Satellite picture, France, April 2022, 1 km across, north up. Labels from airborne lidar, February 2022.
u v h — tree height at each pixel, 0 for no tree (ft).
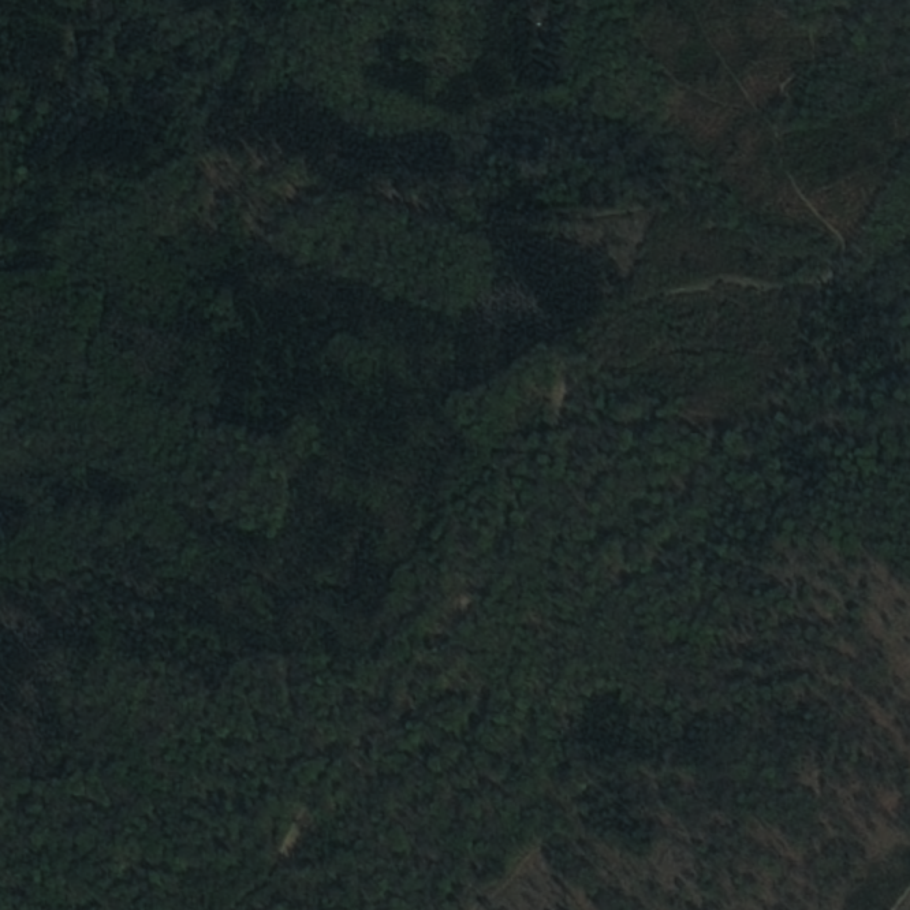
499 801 115
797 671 65
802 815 77
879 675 74
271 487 99
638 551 107
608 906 97
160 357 57
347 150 93
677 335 31
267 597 72
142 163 47
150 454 52
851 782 71
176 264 64
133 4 81
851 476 75
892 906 0
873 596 70
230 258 51
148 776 87
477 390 77
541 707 69
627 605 87
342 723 85
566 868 92
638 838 82
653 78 83
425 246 76
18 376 33
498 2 69
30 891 94
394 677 91
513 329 75
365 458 59
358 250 92
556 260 61
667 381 30
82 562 72
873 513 85
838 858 73
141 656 91
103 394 51
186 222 65
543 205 33
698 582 73
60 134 36
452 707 84
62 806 94
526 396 78
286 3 66
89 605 100
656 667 83
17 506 81
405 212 68
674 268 27
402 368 58
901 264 90
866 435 85
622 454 88
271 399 52
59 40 57
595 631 69
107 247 50
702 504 73
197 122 75
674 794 71
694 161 104
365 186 73
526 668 81
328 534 55
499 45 57
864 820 73
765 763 80
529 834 79
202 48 67
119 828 82
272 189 73
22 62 61
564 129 63
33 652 88
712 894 73
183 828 82
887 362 79
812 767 73
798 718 24
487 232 52
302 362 73
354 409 58
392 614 91
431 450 60
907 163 83
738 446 82
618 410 93
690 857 70
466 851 89
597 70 81
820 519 70
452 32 59
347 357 59
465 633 87
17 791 95
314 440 88
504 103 96
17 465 55
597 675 81
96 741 73
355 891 108
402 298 69
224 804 42
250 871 45
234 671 79
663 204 63
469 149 74
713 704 88
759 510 42
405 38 42
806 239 71
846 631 71
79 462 64
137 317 30
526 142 67
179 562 50
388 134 98
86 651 96
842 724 89
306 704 106
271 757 87
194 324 72
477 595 49
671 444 101
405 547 61
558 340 67
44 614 80
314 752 97
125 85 30
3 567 74
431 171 79
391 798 90
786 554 0
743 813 69
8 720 64
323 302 68
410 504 58
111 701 74
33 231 31
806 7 85
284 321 72
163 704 76
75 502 75
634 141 86
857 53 85
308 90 80
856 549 69
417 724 82
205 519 70
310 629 67
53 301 40
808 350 22
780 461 64
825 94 67
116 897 86
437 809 97
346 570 64
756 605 77
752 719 82
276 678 90
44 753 70
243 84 71
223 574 64
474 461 63
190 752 90
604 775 80
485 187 107
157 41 46
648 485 101
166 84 49
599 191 98
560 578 81
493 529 92
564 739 77
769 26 18
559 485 106
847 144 22
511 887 0
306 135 75
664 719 50
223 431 91
